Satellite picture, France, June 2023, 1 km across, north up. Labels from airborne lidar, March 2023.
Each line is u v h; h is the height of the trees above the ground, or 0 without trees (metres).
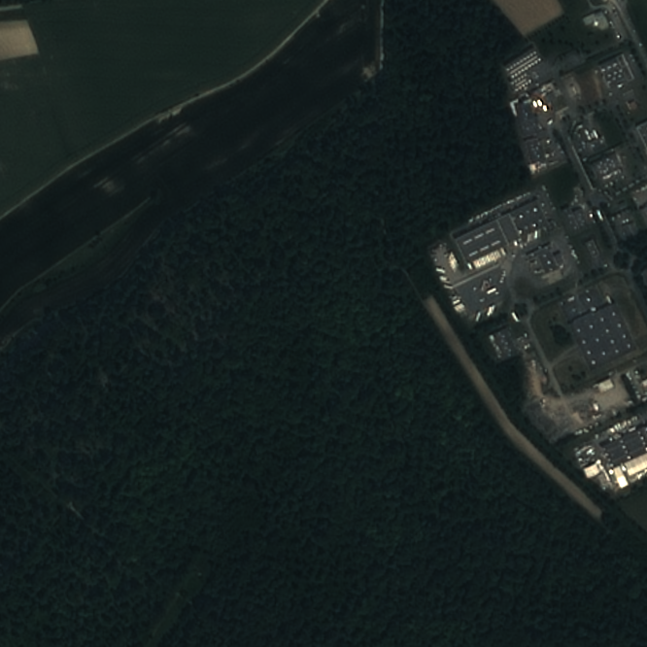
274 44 0
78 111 0
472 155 20
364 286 16
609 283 0
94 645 19
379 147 21
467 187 24
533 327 0
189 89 0
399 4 21
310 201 19
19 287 0
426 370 21
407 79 21
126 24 0
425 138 22
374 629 8
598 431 0
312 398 15
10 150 0
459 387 7
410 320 14
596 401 0
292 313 20
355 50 0
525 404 0
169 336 0
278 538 19
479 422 6
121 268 0
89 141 0
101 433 21
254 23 0
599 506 7
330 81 0
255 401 20
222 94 0
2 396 21
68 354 25
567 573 15
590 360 0
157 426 23
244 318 14
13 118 0
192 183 0
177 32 0
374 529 17
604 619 15
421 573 23
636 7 0
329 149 22
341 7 0
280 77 0
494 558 23
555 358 0
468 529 24
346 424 24
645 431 0
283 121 0
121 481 15
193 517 18
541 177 0
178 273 22
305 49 0
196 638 17
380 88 21
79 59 0
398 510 20
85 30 0
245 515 11
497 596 26
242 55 0
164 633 0
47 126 0
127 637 19
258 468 23
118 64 0
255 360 22
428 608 14
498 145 28
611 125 0
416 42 23
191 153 0
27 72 0
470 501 19
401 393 18
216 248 20
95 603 18
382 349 21
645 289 8
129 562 21
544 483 21
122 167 0
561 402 0
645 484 8
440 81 24
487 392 0
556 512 23
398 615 15
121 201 0
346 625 20
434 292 6
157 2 0
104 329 22
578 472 9
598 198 0
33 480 0
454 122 26
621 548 13
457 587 27
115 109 0
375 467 20
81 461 19
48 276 0
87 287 0
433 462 18
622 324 0
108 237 0
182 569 22
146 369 19
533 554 19
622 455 0
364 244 21
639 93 0
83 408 25
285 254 20
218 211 19
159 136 0
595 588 23
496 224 0
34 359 24
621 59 0
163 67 0
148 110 0
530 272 0
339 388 24
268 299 11
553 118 0
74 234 0
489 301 0
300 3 0
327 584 6
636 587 24
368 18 0
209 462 16
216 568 15
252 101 0
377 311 19
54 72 0
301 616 21
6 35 0
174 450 15
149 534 18
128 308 23
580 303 0
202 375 18
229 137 0
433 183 21
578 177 8
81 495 25
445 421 16
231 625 23
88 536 23
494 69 18
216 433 19
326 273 16
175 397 19
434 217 17
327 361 17
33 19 0
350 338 15
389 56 18
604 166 0
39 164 0
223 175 0
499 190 24
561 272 0
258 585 18
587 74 0
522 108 0
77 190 0
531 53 0
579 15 0
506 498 17
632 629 14
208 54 0
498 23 18
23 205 0
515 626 25
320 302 15
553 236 0
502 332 0
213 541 18
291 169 17
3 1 14
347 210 17
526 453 0
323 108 0
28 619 15
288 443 7
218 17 0
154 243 5
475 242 0
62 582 17
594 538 18
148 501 13
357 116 23
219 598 27
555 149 0
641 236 14
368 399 23
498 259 0
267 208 18
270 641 23
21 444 22
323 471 18
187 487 16
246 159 0
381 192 23
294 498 19
